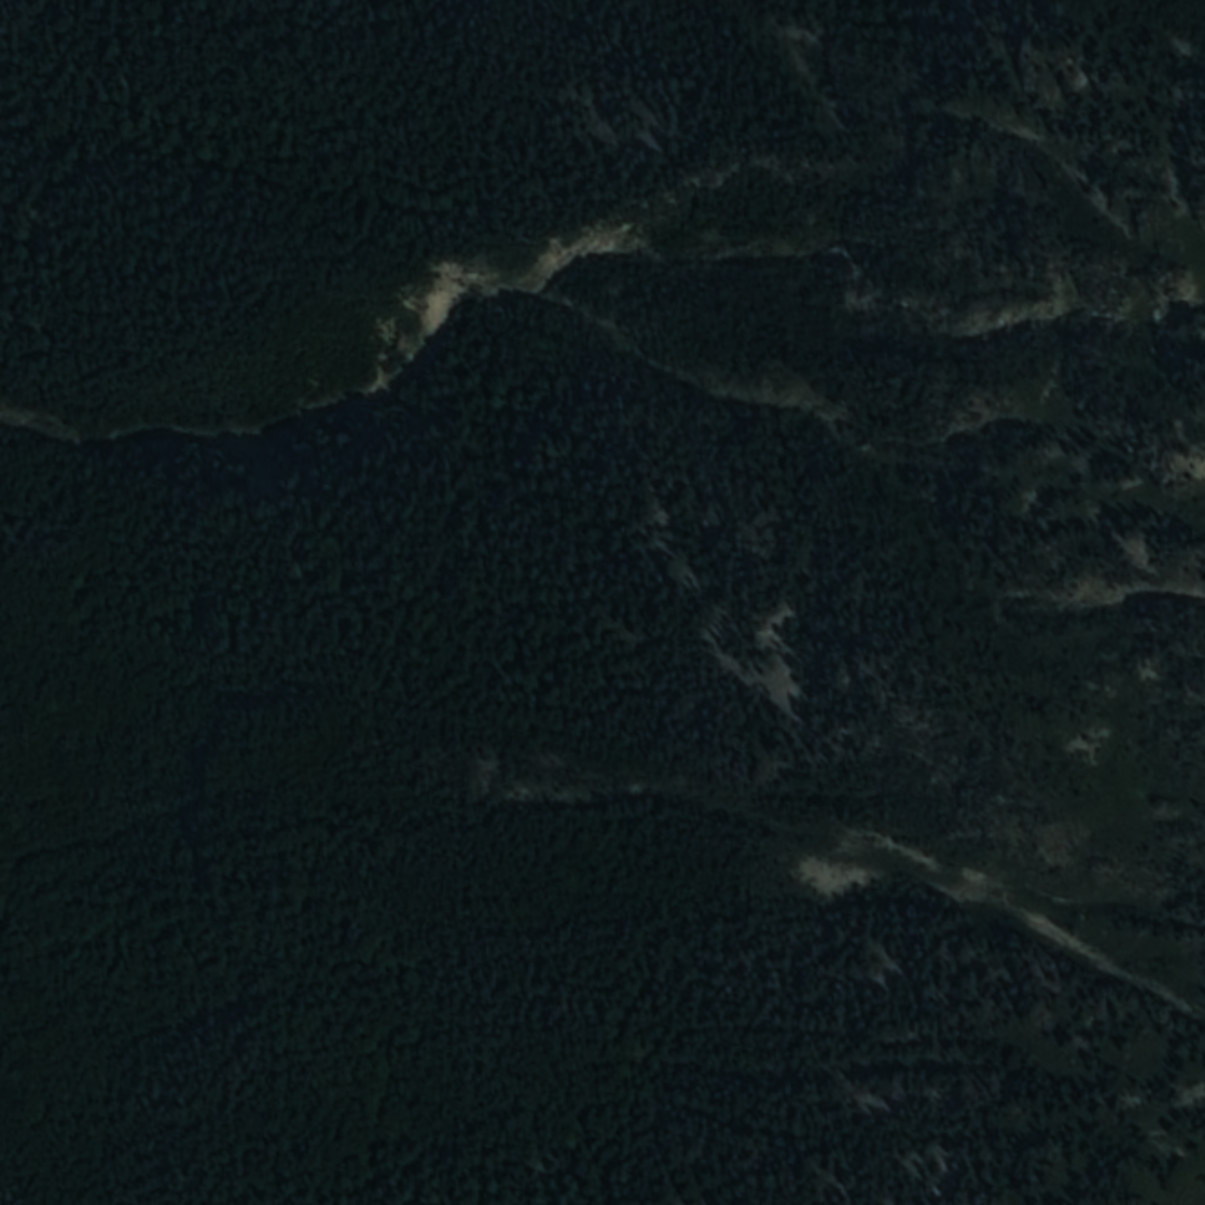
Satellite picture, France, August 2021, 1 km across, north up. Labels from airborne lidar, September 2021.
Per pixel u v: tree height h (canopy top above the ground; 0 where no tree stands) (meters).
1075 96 12
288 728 14
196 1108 20
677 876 11
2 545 13
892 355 11
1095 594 0
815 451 8
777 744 13
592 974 21
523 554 17
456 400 17
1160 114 13
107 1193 24
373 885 17
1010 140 7
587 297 9
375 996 25
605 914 13
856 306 0
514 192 20
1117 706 0
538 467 32
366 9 20
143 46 12
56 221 14
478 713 9
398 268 14
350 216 19
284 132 21
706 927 11
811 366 8
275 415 17
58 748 13
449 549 15
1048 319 0
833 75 7
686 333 7
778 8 12
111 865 17
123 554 28
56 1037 25
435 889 21
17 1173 22
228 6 24
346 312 10
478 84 23
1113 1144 7
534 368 14
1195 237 0
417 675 20
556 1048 21
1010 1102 13
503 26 19
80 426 16
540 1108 11
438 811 11
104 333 20
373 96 21
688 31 11
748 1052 18
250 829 19
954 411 7
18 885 22
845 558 8
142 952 28
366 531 19
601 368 10
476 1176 16
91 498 23
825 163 14
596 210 21
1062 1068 0
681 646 11
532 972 28
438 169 19
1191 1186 0
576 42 19
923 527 6
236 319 23
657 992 20
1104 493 0
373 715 11
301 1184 18
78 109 19
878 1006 23
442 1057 18
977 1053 7
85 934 20
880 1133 14
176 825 13
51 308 22
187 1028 15
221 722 15
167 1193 17
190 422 19
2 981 27
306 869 21
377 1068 26
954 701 15
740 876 10
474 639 13
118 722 16
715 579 14
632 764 12
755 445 12
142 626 25
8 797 22
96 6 21
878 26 9
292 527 23
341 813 12
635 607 14
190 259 25
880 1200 16
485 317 9
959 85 6
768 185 16
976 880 0
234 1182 20
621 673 16
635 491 10
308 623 24
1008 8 12
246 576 17
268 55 22
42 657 22
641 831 13
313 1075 30
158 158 17
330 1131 19
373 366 7
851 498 8
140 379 14
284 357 13
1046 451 7
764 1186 17
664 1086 15
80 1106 19
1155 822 0
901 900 6
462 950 16
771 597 15
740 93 20
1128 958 0
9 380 19
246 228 22
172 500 14
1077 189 0
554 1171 22
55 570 25
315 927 15
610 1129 23
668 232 8
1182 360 0
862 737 6
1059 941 0
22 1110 29
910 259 13
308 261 21
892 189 11
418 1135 16
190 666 18
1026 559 7
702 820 9
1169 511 0
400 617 12
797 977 8
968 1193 15
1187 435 0
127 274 28
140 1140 22
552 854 17
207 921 24
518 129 26
